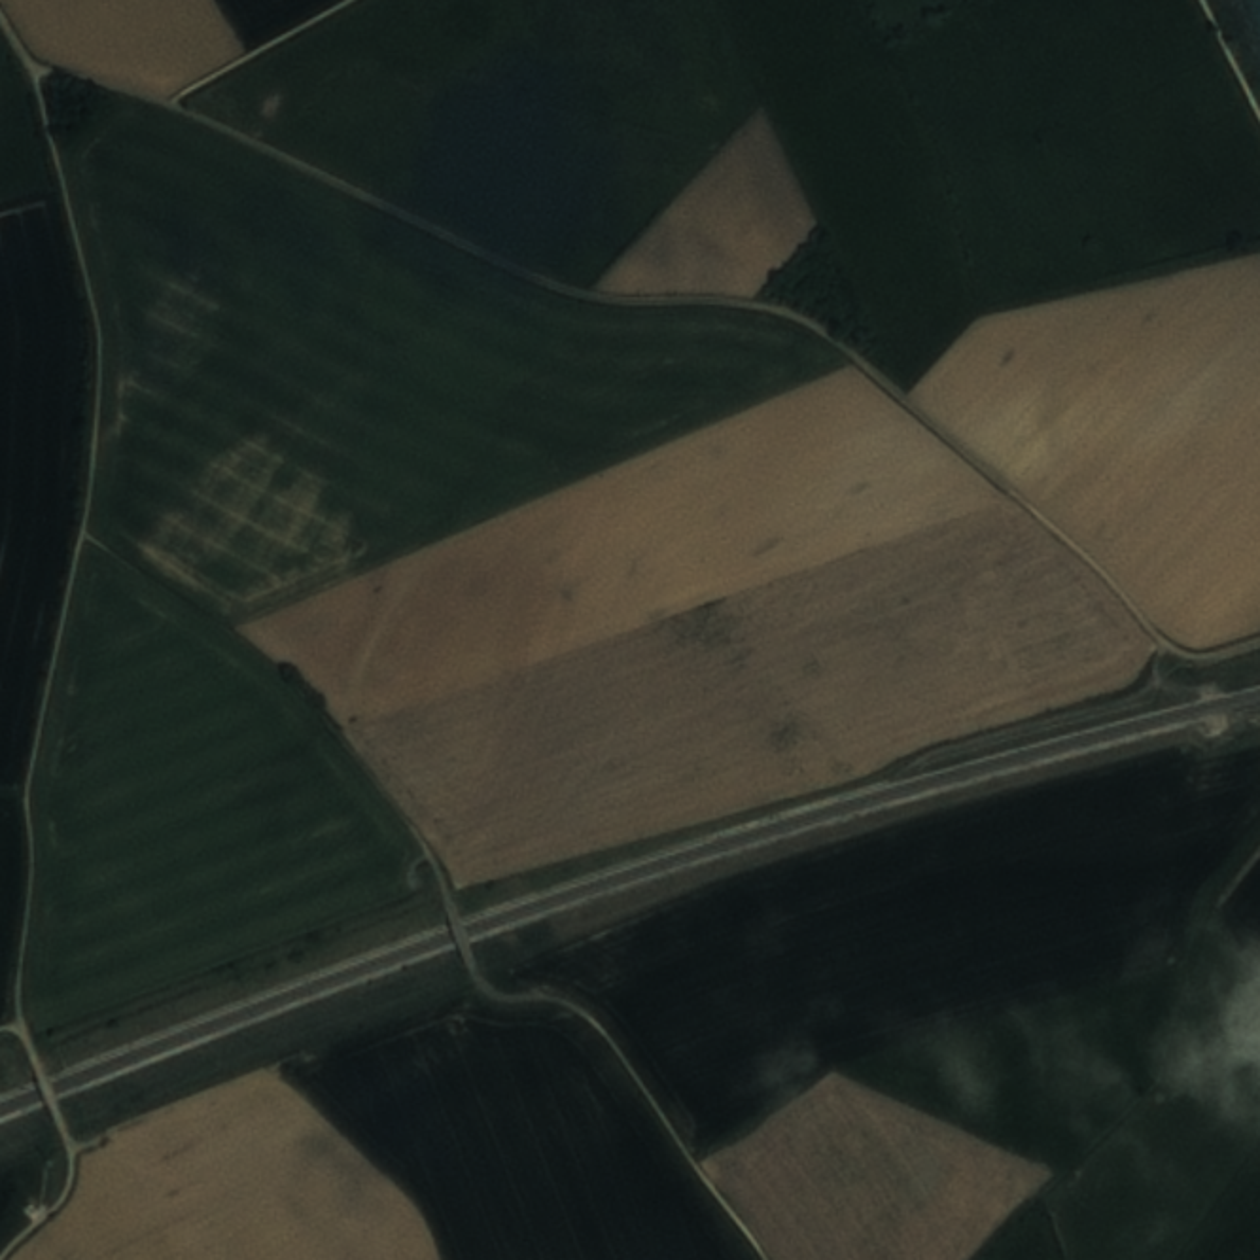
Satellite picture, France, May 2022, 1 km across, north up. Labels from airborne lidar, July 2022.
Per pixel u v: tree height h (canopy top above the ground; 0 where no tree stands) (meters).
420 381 0
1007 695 0
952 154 0
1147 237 0
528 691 0
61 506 0
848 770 0
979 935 0
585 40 0
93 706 0
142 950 0
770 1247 0
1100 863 0
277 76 0
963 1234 0
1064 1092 0
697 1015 0
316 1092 0
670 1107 0
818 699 0
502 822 0
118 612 0
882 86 0
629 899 0
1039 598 0
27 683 0
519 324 0
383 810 0
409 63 0
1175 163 0
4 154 0
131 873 0
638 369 0
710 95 0
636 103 0
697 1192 0
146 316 0
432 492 0
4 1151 0
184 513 0
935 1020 0
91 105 13
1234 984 0
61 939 0
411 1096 0
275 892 0
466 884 0
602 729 0
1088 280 0
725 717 0
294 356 0
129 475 0
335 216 0
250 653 0
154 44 0
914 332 0
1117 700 0
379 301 0
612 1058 0
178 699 0
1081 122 0
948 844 0
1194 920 0
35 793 0
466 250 0
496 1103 0
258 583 0
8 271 0
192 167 0
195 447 0
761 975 0
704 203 0
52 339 0
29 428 0
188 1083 0
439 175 0
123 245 0
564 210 0
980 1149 0
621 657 0
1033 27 0
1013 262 0
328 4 0
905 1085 0
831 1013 0
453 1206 0
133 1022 0
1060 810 0
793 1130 0
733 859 0
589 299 0
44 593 0
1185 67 0
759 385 0
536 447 0
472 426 0
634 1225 0
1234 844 0
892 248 0
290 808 0
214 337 0
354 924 0
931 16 12
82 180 0
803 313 7
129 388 0
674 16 0
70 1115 0
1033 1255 0
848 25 0
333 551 0
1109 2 0
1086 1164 0
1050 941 0
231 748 0
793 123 0
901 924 0
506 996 0
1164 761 0
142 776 0
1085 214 0
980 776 0
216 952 0
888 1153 0
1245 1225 0
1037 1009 0
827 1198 0
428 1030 0
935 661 0
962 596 0
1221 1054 0
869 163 0
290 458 0
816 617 0
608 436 0
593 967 0
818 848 0
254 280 0
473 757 0
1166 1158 0
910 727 0
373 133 0
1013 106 0
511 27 0
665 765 0
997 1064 0
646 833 0
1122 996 0
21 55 0
